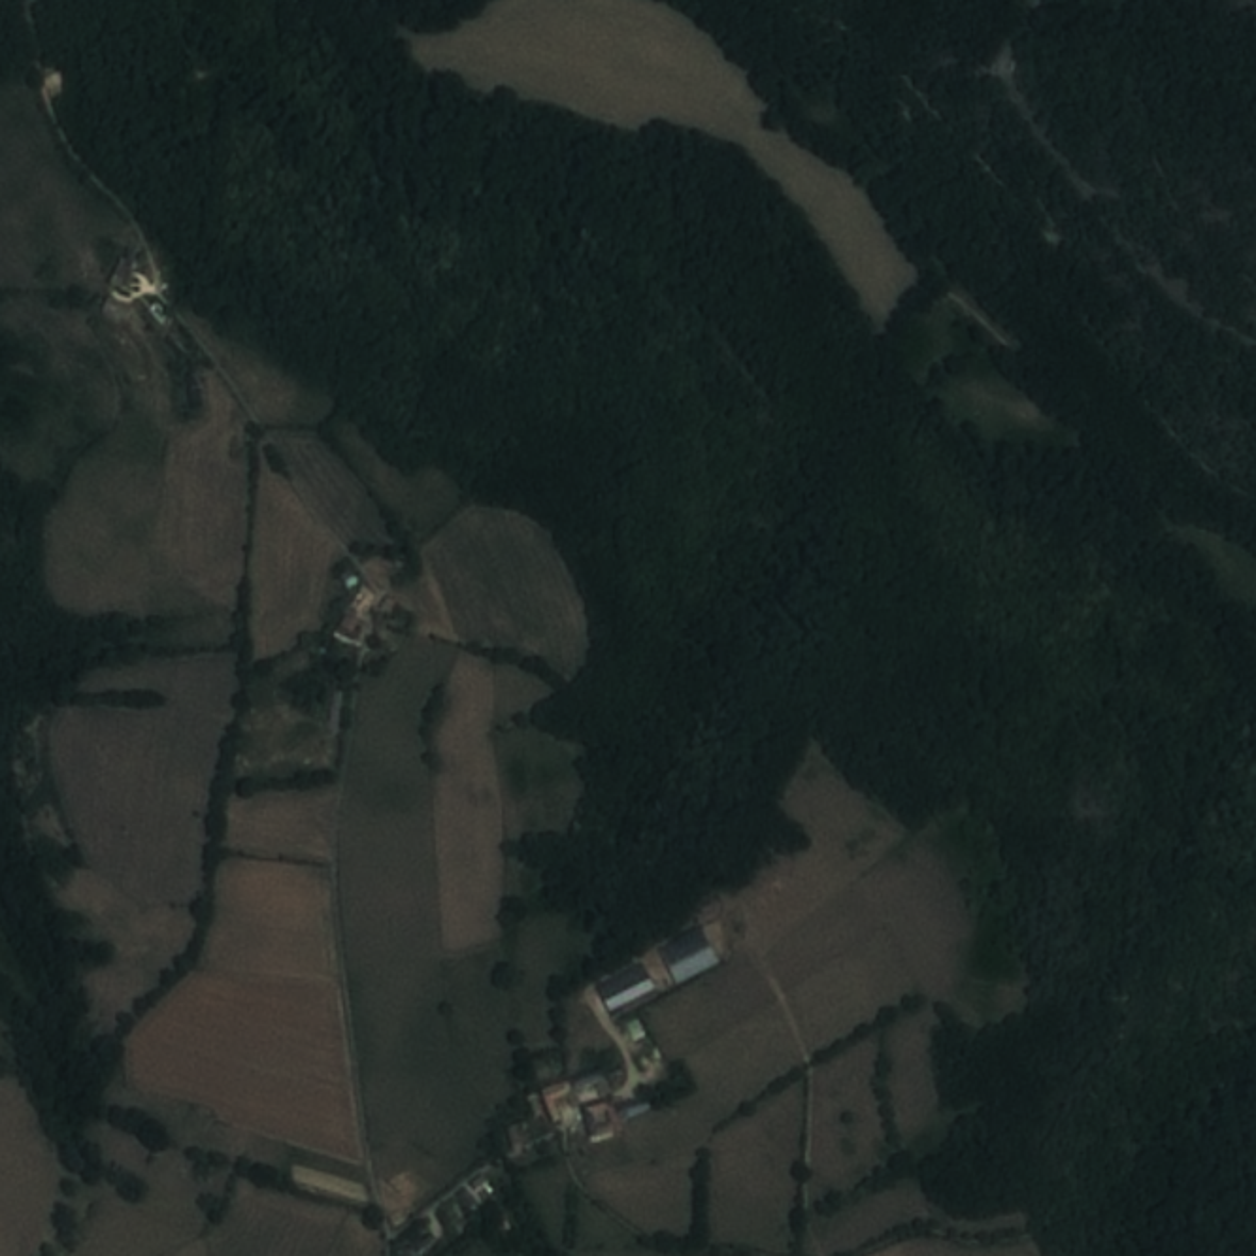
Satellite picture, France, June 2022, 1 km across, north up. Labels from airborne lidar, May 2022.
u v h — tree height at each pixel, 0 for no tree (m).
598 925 21
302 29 16
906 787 16
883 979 0
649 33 0
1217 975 11
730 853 18
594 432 10
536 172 26
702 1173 14
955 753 22
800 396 22
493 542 0
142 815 0
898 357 17
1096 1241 16
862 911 0
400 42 14
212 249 20
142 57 23
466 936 0
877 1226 0
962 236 13
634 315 16
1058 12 23
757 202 21
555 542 8
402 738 0
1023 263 15
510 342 14
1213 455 9
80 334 0
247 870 0
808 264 18
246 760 0
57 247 0
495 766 0
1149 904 15
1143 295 15
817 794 0
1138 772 13
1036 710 13
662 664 20
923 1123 0
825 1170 0
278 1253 0
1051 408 24
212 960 0
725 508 11
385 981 0
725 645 35
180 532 0
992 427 0
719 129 0
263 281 22
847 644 20
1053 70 9
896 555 18
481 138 13
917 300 20
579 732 17
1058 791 8
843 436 25
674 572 15
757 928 0
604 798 14
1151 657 19
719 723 16
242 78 30
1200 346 12
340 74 18
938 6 15
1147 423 12
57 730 0
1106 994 16
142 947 0
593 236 19
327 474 0
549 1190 0
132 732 0
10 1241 0
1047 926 25
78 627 12
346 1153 0
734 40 21
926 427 21
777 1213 0
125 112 22
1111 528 19
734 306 22
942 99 13
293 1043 0
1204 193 5
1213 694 13
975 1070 13
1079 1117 10
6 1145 0
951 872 0
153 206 15
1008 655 22
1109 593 19
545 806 0
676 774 21
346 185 19
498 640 0
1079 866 11
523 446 8
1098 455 20
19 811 9
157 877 0
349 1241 0
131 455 0
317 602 0
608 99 0
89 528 0
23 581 8
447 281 16
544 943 0
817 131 18
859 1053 0
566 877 25
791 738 11
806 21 16
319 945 0
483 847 0
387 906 0
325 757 0
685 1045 0
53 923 15
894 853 0
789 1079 8
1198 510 21
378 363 17
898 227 23
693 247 14
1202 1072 20
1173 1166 27
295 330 19
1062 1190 11
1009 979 0
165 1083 0
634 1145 0
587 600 9
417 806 0
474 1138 0
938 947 0
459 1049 0
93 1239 0
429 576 0
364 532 0
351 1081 0
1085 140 14
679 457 15
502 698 0
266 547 0
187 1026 0
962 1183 17
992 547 17
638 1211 0
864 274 0
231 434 0
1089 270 7
